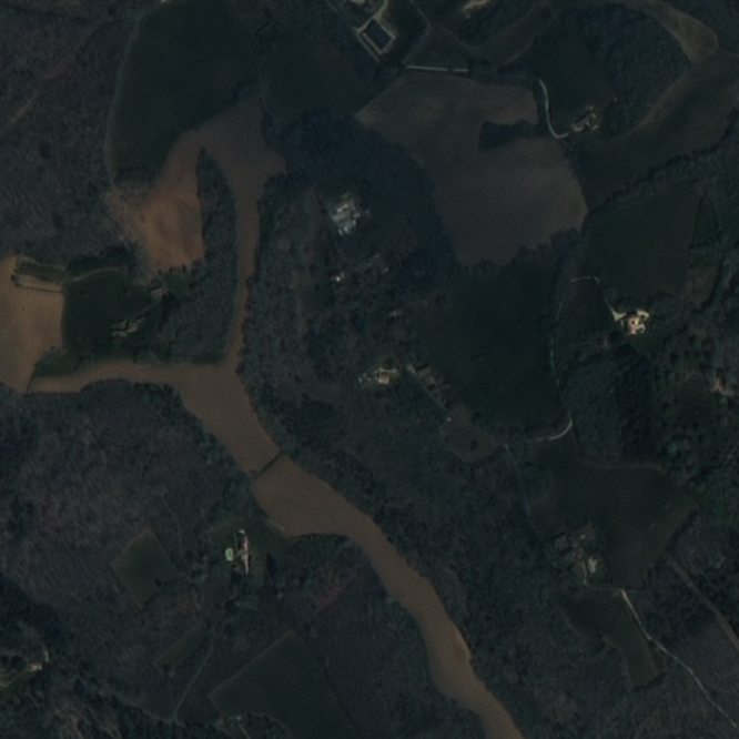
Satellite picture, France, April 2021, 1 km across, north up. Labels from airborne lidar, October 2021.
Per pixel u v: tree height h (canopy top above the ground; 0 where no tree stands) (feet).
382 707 40
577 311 0
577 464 0
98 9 59
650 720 27
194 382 0
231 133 0
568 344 23
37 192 49
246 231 0
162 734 51
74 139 40
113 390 47
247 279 0
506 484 75
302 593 43
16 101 42
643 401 106
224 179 45
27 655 50
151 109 0
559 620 45
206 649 38
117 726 43
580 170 49
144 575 0
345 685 51
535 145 0
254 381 50
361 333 80
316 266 24
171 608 22
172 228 0
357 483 30
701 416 0
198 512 37
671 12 0
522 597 73
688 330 64
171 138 0
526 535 59
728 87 0
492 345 0
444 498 70
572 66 0
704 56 0
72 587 72
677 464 58
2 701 51
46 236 40
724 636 0
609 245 0
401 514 31
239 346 0
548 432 65
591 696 45
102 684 36
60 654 65
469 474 61
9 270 0
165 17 0
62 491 49
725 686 60
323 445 65
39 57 53
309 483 0
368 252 31
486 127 21
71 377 0
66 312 0
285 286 44
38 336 0
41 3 25
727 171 39
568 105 0
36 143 48
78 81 27
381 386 0
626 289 0
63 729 52
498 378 0
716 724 50
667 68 44
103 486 54
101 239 62
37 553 42
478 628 51
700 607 76
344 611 38
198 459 37
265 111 21
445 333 0
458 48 0
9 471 91
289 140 47
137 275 57
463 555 37
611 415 84
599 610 0
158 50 0
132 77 0
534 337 0
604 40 56
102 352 30
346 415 51
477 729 56
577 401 71
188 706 26
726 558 52
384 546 0
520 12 60
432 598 0
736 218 40
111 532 52
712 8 84
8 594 57
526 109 0
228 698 0
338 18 43
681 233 0
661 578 57
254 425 0
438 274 62
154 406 53
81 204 58
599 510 0
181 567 30
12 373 0
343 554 32
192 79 0
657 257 0
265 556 0
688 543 55
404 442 71
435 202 56
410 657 62
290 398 45
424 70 0
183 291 0
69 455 37
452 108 0
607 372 80
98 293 0
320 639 50
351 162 69
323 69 0
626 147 0
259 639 28
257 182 0
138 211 0
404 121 0
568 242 69
